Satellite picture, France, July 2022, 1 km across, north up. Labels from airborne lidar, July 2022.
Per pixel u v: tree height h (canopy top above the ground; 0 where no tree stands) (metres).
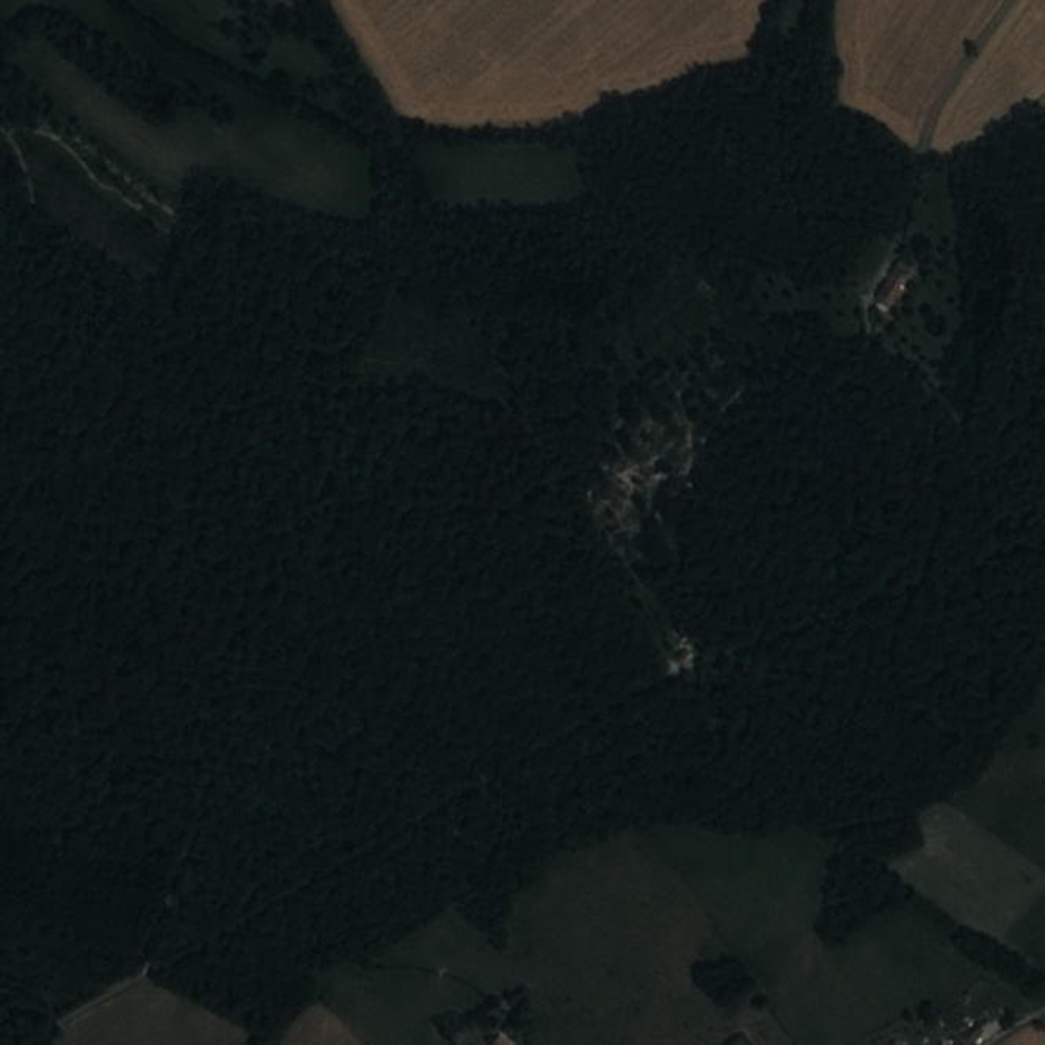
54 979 8
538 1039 0
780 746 27
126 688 23
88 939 14
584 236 26
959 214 7
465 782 18
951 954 0
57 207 0
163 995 0
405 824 19
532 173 0
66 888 15
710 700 19
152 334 19
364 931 23
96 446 25
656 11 0
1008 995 0
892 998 0
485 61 0
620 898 0
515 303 26
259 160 0
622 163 22
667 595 21
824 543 24
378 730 26
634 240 19
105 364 25
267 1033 17
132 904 13
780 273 10
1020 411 15
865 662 21
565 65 0
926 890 0
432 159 0
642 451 23
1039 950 0
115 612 20
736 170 23
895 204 26
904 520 22
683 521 30
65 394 23
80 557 22
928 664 16
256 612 22
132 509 20
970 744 27
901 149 17
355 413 19
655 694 25
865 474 25
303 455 17
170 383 26
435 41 0
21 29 21
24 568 20
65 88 0
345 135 18
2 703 28
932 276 14
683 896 0
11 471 25
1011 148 21
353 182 0
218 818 20
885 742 28
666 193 25
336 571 22
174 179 0
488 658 26
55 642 30
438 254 19
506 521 26
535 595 24
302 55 0
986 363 22
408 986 0
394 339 0
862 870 25
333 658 26
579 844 20
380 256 24
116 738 28
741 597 24
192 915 21
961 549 25
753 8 0
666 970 0
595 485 21
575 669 24
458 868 25
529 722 19
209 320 22
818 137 20
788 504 27
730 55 0
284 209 24
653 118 24
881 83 0
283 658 21
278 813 23
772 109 21
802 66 25
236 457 10
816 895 0
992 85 0
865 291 0
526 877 24
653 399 27
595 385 26
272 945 21
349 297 17
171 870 21
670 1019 0
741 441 20
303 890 21
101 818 19
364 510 22
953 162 19
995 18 0
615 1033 0
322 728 26
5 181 25
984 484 24
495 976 0
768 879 0
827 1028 0
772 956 0
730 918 0
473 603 22
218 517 13
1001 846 0
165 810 25
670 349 0
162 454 21
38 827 7
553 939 0
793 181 22
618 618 17
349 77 20
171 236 0
